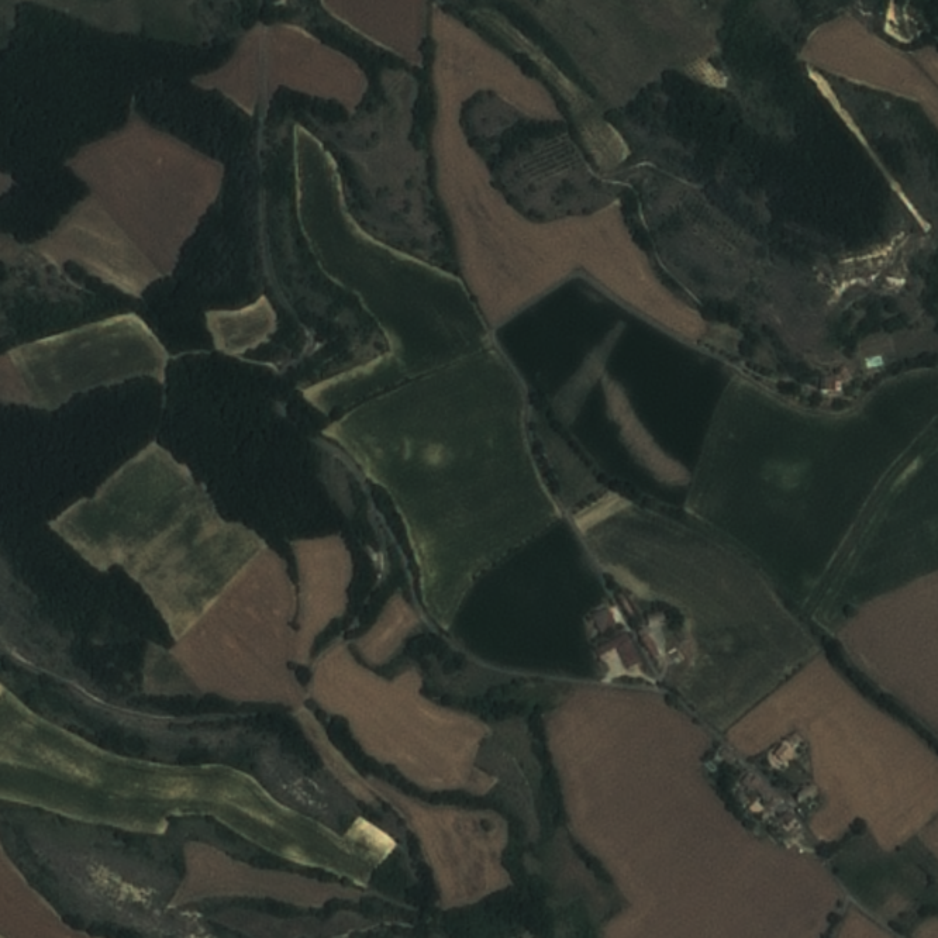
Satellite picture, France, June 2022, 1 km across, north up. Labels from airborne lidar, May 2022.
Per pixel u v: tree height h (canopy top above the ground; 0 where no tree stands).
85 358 0
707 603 0
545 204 0
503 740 0
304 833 0
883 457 0
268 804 0
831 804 0
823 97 11
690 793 0
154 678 0
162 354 0
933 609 0
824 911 0
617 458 0
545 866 0
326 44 12
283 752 6
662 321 0
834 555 0
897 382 0
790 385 8
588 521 0
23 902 0
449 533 0
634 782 0
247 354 8
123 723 0
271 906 10
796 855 0
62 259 0
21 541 10
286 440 14
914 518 0
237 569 0
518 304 0
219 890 0
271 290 8
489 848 0
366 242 0
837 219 12
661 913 0
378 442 0
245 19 8
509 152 8
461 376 0
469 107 6
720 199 12
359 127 0
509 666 0
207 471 19
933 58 0
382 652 0
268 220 6
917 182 0
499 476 0
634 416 0
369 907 9
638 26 0
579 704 0
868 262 0
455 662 9
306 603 0
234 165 15
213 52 13
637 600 0
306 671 16
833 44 0
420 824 0
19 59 15
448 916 10
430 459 0
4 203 21
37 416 18
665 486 0
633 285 0
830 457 0
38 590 11
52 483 20
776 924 0
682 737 0
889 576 0
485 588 0
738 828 0
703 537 0
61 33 13
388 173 0
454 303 0
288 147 6
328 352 8
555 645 0
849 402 8
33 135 16
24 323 12
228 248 14
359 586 11
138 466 0
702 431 0
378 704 0
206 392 8
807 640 0
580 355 0
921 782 0
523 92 0
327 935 0
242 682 0
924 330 0
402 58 7
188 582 0
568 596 0
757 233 12
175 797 0
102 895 0
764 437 0
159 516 0
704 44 0
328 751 0
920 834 0
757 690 0
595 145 0
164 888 0
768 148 12
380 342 12
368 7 0
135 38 18
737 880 0
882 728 0
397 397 0
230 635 0
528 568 0
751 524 0
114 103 13
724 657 0
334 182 0
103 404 16
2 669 8
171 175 0
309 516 13
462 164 0
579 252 0
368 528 9
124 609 11
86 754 0
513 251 0
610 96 0
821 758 0
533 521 0
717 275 0
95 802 0
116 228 0
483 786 0
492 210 0
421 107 15
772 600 0
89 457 17
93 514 0
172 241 0
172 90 13
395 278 0
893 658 0
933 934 0
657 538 0
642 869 0
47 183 17
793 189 9
